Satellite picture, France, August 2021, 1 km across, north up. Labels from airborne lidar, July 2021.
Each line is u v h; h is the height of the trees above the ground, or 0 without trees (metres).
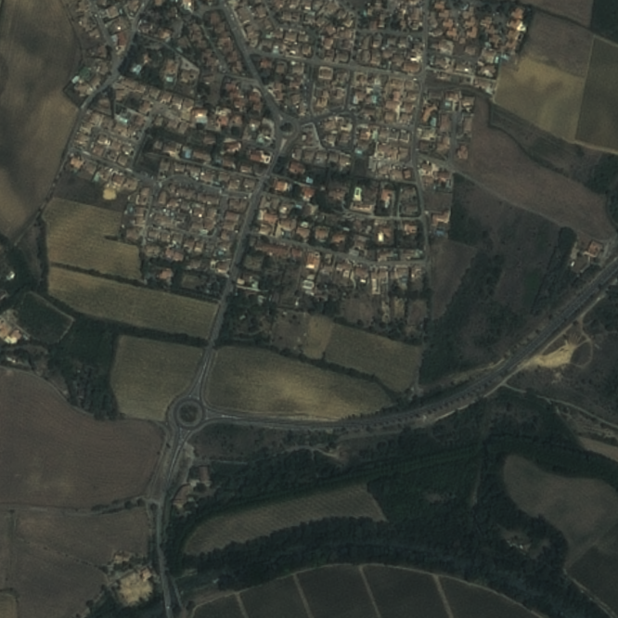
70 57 0
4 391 0
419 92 0
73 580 0
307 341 0
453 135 0
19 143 0
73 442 0
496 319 7
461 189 0
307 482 20
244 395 0
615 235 0
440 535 15
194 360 0
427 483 9
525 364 0
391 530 7
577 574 0
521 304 0
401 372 0
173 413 0
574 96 0
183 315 0
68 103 0
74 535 0
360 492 0
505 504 17
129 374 0
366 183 9
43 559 0
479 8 8
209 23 7
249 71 7
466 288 6
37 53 0
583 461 32
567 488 0
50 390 0
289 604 0
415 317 0
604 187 6
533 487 0
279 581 0
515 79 0
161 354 0
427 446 8
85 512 0
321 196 12
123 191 0
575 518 0
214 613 0
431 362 7
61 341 7
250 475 22
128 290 0
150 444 0
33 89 0
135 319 0
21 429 0
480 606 0
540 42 0
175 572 18
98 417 9
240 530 0
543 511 0
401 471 15
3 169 0
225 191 0
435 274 0
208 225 0
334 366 10
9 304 11
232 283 0
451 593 0
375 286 0
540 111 0
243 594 0
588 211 0
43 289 13
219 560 14
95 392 16
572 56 0
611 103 0
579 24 0
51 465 0
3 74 0
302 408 0
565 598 16
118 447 0
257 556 11
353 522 13
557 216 0
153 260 13
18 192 0
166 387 0
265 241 10
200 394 0
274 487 12
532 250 0
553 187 0
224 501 20
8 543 0
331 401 0
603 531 0
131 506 12
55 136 0
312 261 0
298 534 20
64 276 0
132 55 11
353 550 22
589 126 0
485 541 14
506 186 0
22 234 0
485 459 7
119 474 0
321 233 0
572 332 0
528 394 10
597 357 0
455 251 0
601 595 0
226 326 8
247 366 0
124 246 0
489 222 0
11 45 0
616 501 0
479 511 21
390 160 0
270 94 0
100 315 0
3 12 0
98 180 0
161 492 0
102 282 0
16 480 0
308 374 0
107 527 0
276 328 0
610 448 0
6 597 0
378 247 10
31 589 0
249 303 12
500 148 0
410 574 0
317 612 0
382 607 0
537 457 25
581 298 0
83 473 0
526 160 0
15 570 0
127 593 0
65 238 0
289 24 7
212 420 0
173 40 9
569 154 0
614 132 0
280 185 0
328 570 0
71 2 0
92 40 0
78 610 0
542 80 0
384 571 0
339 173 11
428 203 0
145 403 0
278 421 0
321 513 0
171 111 0
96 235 0
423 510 10
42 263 6
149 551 7
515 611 0
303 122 0
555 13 0
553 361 0
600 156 0
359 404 0
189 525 18
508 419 10
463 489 13
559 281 11
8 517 0
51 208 0
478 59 0
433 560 20
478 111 0
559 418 7
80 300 0
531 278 0
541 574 18
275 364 0
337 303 10
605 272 0
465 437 8
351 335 0
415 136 0
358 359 0
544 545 0
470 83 0
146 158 0
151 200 0
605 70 0
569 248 7
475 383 0
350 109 0
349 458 0
